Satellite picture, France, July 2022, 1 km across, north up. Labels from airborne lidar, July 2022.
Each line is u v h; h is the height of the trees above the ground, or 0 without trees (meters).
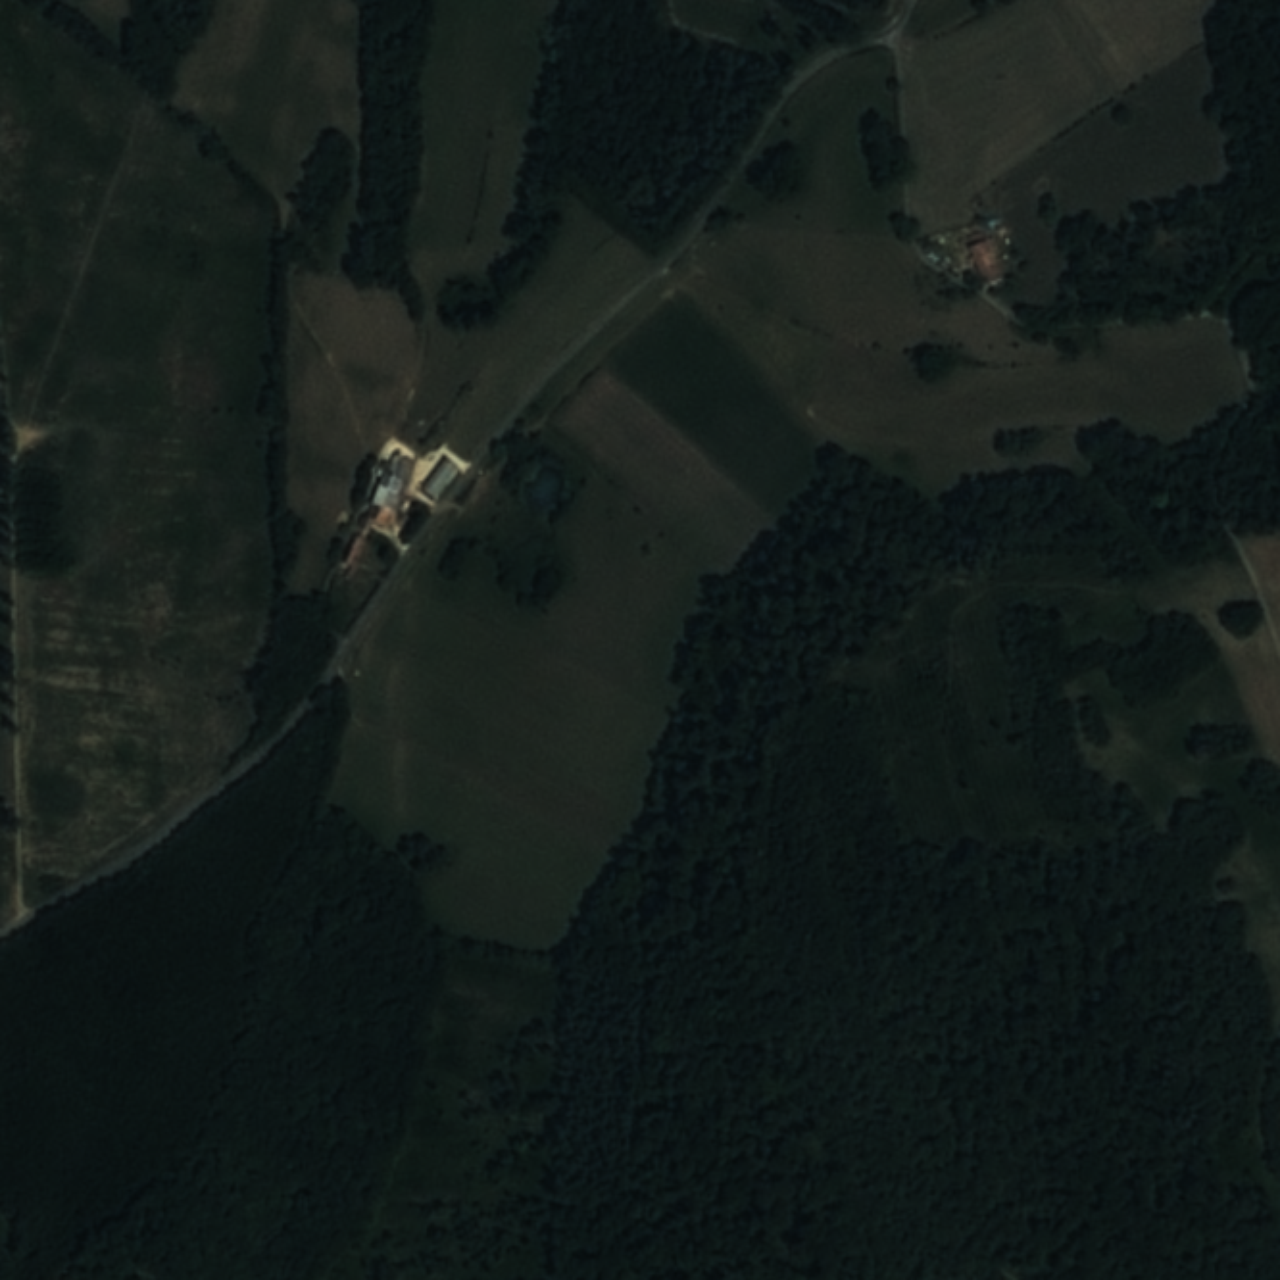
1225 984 17
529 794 0
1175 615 11
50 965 15
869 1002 19
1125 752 0
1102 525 16
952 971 15
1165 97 0
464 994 0
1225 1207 24
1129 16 0
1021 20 0
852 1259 14
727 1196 23
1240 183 19
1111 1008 30
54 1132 13
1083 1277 22
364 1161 30
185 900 14
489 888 0
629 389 0
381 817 0
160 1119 13
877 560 19
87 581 0
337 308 0
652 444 0
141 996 13
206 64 0
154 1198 27
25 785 0
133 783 0
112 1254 26
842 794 12
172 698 0
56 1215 12
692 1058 21
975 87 0
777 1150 25
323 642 15
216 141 23
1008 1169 18
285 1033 23
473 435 0
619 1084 16
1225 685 0
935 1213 15
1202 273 20
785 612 29
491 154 0
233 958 14
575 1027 21
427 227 0
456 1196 0
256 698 16
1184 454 13
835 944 13
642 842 17
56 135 0
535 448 8
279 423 14
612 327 0
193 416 0
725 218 17
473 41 0
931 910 16
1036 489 21
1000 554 16
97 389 0
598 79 22
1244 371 0
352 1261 0
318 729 12
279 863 12
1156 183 0
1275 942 0
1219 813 22
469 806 0
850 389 0
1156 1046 27
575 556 0
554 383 0
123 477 0
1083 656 8
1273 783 17
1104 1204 23
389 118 19
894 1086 13
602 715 0
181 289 0
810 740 12
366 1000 28
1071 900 17
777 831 10
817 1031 18
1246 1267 21
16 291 0
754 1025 23
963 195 0
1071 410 0
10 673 24
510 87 0
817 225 0
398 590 0
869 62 0
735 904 24
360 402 0
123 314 0
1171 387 0
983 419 0
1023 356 0
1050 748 14
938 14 0
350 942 27
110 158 0
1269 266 7
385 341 0
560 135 26
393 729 0
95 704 0
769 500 0
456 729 0
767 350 0
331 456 0
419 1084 16
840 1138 18
